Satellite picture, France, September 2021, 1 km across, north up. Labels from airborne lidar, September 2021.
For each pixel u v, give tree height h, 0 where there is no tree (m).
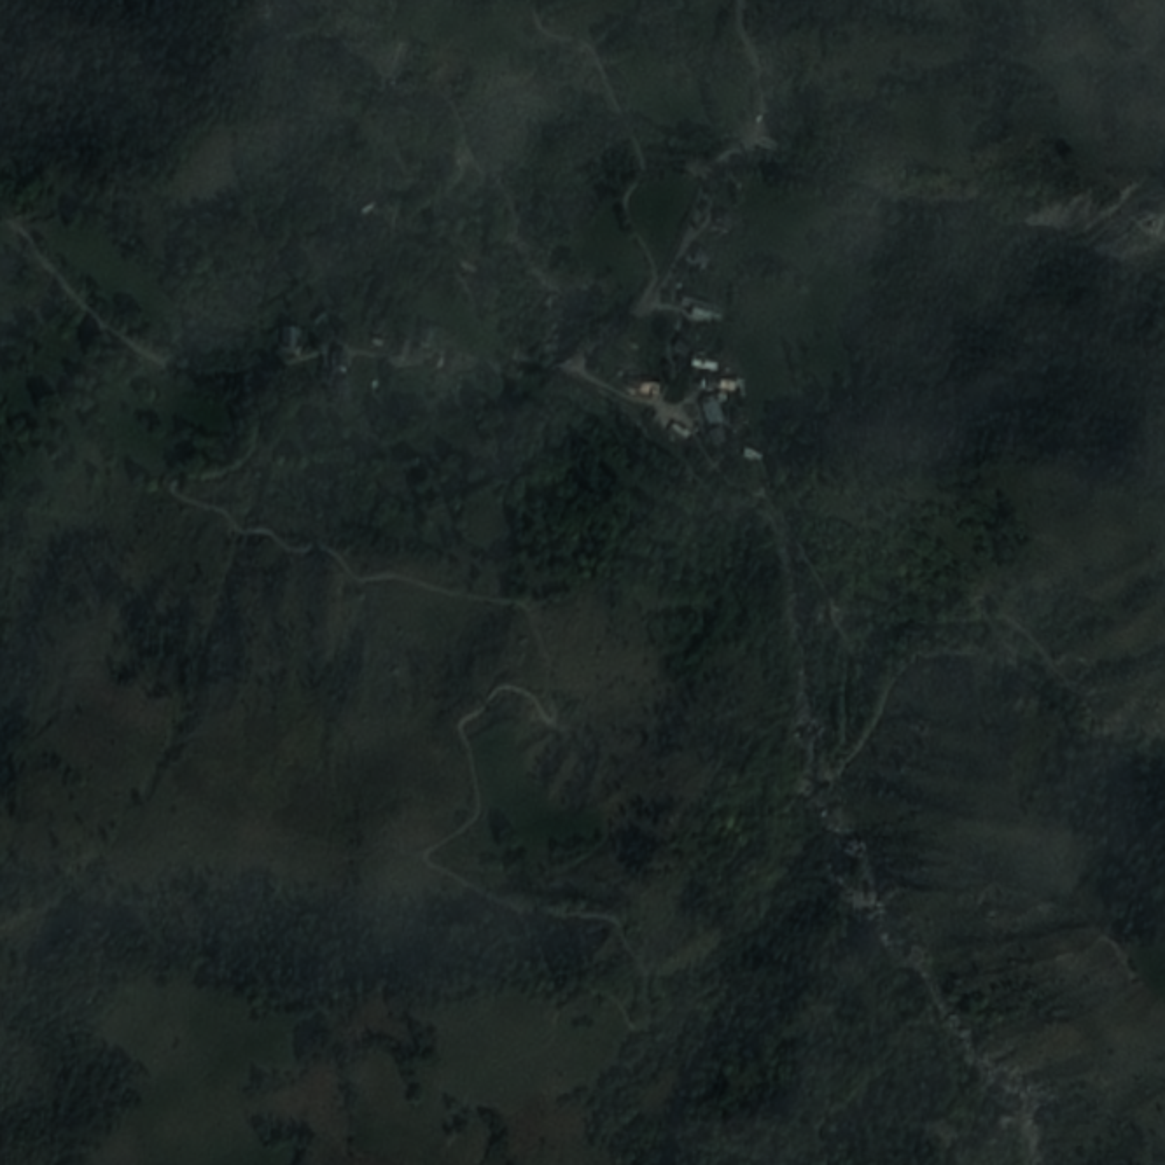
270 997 7
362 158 27
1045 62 0
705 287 0
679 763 0
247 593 0
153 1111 0
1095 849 9
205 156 0
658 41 6
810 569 11
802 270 0
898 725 0
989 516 12
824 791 6
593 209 9
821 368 0
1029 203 6
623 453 16
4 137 17
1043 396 16
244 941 7
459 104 7
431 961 15
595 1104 13
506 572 8
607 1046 0
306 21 12
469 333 0
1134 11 0
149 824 0
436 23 0
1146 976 0
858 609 6
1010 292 14
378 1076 0
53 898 12
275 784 0
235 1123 0
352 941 7
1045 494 0
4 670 8
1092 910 0
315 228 11
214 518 0
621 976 7
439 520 0
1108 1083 0
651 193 0
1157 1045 0
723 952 8
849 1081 7
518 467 11
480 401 15
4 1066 8
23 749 0
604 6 0
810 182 14
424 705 0
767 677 7
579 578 8
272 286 18
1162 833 11
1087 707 7
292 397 19
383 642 0
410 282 26
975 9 11
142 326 9
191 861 0
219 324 14
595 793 0
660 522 12
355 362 0
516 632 0
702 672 10
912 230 14
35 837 0
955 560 11
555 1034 0
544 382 15
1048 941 0
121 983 14
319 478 9
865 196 13
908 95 16
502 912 7
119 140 19
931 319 16
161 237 0
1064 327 15
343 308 21
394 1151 0
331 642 0
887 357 12
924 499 0
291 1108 0
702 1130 8
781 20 13
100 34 15
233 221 20
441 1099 0
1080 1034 0
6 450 6
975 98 7
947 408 18
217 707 0
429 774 0
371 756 0
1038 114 0
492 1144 7
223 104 19
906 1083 0
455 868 0
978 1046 7
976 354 17
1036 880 0
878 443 17
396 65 0
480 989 10
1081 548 0
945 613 14
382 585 0
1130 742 6
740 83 10
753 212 0
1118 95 0
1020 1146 9
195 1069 0
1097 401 16
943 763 0
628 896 0
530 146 15
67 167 18
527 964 11
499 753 0
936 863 0
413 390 0
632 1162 7
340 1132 0
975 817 0
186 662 7
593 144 13
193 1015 0
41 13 16
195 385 13
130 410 8
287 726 0
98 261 0
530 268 14
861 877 9
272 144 21
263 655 0
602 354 17
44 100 25
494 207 18
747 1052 9
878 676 8
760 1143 12
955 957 0
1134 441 12
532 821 0
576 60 6
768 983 10
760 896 9
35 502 12
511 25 0
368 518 6
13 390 0
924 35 11
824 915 14
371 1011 0
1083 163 0
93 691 0
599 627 0
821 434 9
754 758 10
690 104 0
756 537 11
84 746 0
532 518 6
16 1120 6
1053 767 7
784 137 22
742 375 0
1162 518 0
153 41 20
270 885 11
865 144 20
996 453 16
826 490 13
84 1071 12
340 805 0
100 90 14
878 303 15
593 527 14
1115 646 0
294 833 0
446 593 0
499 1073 0
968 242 14
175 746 0
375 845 0
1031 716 0
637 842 8
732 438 7
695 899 9
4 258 0
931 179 12
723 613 15
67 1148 12
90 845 0
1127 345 12
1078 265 15
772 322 0
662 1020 10
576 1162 0
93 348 16
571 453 11
